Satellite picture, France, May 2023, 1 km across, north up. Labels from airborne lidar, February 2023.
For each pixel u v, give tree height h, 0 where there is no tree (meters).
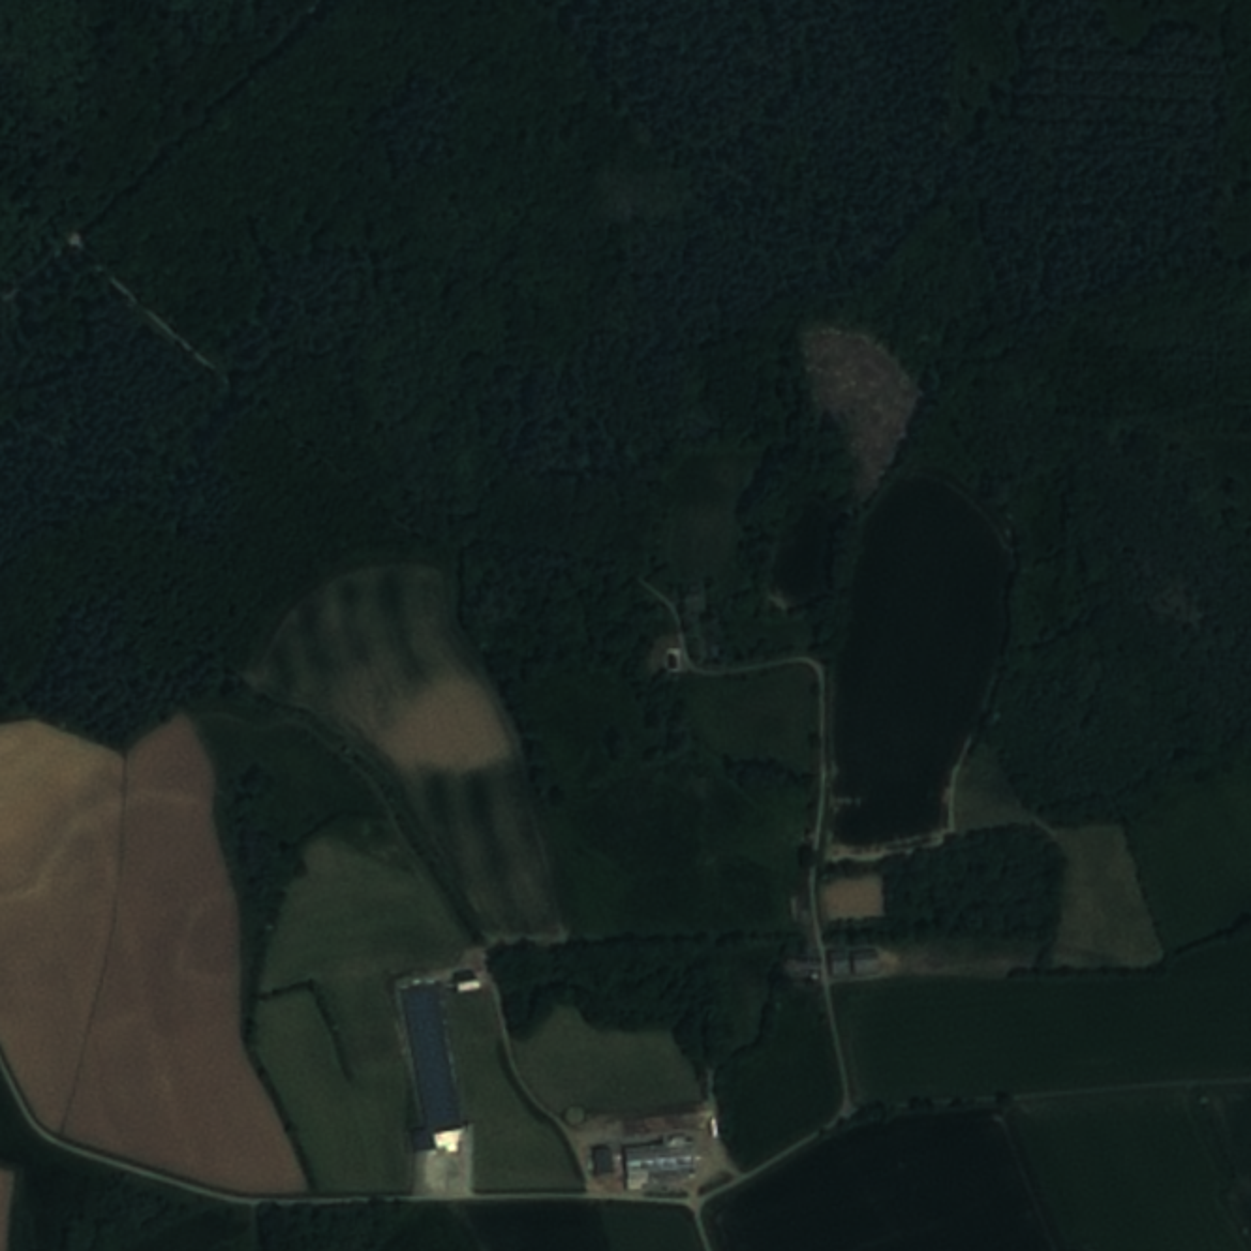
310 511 16
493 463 19
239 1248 0
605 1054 0
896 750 0
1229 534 10
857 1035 0
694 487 0
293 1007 0
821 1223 0
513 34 16
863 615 0
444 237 17
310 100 19
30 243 21
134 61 21
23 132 22
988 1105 0
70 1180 0
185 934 0
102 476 26
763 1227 0
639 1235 0
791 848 0
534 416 25
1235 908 0
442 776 0
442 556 11
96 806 0
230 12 6
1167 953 6
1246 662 12
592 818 0
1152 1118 0
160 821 0
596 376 15
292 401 20
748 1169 0
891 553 0
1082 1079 0
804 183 15
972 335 8
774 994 7
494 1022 0
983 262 15
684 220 21
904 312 11
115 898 0
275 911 7
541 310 18
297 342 15
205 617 17
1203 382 6
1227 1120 0
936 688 0
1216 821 0
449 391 12
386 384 14
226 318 17
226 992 0
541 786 15
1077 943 0
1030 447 11
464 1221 0
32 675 14
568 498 21
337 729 0
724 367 19
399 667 0
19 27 20
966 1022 0
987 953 0
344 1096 0
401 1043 0
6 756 0
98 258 18
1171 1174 0
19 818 0
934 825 0
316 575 10
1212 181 15
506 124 17
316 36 19
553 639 13
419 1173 0
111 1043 0
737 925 0
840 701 0
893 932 10
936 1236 0
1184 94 22
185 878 0
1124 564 11
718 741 0
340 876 0
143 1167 0
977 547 0
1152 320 9
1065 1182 0
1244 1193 0
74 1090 0
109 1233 9
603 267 17
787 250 27
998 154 27
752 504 18
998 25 17
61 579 16
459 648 0
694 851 0
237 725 0
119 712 20
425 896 0
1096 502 12
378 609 0
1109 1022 0
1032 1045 0
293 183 18
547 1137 0
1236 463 0
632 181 18
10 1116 0
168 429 14
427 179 21
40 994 0
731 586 0
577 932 0
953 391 7
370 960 0
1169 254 28
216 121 19
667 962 6
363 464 19
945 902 10
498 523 20
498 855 0
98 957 0
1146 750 10
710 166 28
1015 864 7
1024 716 9
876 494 8
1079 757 10
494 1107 0
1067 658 8
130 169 19
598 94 11
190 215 18
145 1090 0
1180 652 10
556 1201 0
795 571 0
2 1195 0
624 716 0
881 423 0
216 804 0
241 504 17
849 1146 0
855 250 27
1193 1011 0
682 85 28
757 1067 0
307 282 28
